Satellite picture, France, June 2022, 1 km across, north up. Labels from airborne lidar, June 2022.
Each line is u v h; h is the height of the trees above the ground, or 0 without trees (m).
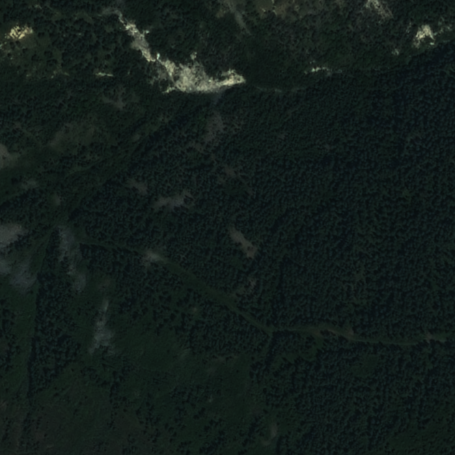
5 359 7
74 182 9
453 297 27
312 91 9
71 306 7
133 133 16
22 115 22
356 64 9
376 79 10
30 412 6
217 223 19
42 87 11
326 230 32
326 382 30
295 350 28
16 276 0
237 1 0
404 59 7
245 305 28
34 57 12
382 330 31
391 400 30
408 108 35
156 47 10
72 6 32
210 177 7
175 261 19
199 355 8
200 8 16
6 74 8
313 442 26
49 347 7
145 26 9
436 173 21
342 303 10
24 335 6
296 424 9
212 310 25
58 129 8
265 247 30
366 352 31
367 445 6
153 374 8
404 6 22
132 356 6
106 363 11
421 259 37
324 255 33
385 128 36
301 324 28
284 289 31
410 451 7
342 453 8
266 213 31
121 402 15
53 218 12
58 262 14
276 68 19
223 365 6
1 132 22
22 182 16
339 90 12
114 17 15
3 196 9
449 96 33
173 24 9
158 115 11
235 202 24
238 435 6
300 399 13
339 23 12
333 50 7
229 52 9
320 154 11
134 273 26
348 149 32
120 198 7
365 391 24
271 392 9
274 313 8
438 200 34
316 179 32
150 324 11
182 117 8
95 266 29
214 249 7
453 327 33
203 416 24
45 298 24
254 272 29
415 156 29
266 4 0
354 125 31
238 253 32
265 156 17
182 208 6
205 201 24
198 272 29
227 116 9
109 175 6
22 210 27
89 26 28
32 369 24
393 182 36
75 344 24
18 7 28
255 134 13
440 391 26
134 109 7
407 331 32
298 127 14
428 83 30
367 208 31
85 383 8
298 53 7
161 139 31
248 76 20
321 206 15
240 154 29
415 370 23
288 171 35
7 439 13
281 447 24
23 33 0
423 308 36
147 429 10
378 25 19
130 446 6
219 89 0
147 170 28
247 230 25
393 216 36
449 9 23
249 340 31
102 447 10
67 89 10
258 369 31
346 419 27
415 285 33
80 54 32
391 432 23
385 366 9
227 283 30
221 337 25
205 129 9
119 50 26
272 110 7
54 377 22
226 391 7
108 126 8
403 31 10
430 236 33
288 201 32
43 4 15
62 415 0
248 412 7
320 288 32
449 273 31
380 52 12
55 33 24
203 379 6
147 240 24
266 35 11
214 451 23
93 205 21
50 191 7
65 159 21
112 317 9
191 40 11
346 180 36
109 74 5
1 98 8
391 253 41
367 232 30
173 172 22
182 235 22
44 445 0
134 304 32
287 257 10
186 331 30
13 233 0
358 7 20
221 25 10
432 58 7
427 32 0
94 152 9
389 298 9
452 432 9
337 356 29
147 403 6
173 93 7
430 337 0
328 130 17
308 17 8
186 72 0
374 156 34
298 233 19
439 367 32
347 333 0
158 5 20
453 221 29
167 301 23
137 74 13
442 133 32
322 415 28
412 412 30
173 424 7
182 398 7
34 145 6
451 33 6
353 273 28
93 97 15
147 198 12
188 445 22
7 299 8
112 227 31
